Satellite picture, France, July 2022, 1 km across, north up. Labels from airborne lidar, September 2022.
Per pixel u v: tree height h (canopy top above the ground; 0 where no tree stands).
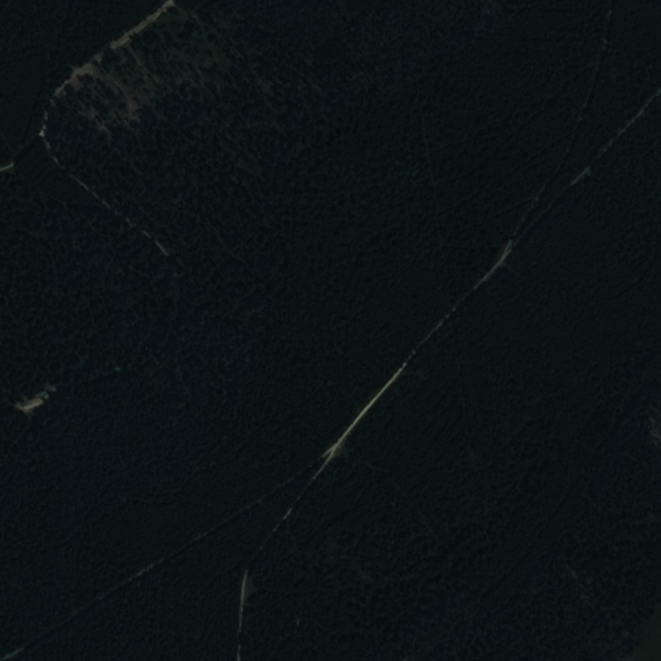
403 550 6
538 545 16
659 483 27
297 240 11
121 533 14
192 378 32
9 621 14
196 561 9
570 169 9
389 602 12
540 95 11
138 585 10
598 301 15
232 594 13
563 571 16
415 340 11
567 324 15
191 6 11
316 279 11
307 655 18
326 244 12
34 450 25
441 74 8
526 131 14
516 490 8
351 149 7
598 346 13
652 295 15
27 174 16
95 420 28
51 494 20
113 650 13
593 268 14
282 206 11
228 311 11
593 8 11
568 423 13
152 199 7
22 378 17
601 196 10
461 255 9
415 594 6
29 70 12
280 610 14
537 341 10
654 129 7
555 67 10
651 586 17
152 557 17
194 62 0
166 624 15
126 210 28
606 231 14
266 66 31
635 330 15
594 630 32
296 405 13
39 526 21
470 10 8
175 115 33
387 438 7
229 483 18
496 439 9
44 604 18
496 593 17
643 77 17
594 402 13
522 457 16
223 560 14
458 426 9
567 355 13
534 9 11
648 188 10
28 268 11
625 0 14
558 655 13
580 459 9
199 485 16
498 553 17
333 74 31
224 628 16
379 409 8
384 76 8
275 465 14
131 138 13
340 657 14
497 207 7
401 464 8
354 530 7
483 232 13
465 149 6
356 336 10
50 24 16
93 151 13
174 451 22
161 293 8
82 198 15
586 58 8
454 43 24
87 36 15
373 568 11
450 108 8
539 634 21
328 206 8
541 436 6
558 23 13
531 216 13
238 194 18
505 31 14
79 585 13
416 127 7
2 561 15
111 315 16
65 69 20
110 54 15
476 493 7
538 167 14
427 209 9
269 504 15
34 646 15
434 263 11
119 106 12
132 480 23
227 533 15
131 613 11
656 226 14
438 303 12
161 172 14
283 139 21
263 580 7
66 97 6
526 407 7
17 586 18
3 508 23
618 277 14
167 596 14
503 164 7
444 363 8
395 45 29
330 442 7
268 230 17
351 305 12
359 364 7
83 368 29
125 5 13
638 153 10
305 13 24
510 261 13
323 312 12
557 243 14
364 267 10
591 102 11
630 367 17
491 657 20
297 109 28
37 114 15
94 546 14
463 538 13
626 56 9
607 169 8
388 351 10
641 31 12
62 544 18
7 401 7
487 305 11
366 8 6
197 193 7
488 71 14
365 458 8
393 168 6
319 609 14
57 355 17
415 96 12
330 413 12
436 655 35
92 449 25
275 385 15
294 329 10
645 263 14
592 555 19
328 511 8
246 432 16
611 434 16
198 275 34
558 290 12
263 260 27
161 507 14
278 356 17
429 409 8
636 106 9
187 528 17
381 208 7
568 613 25
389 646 29
